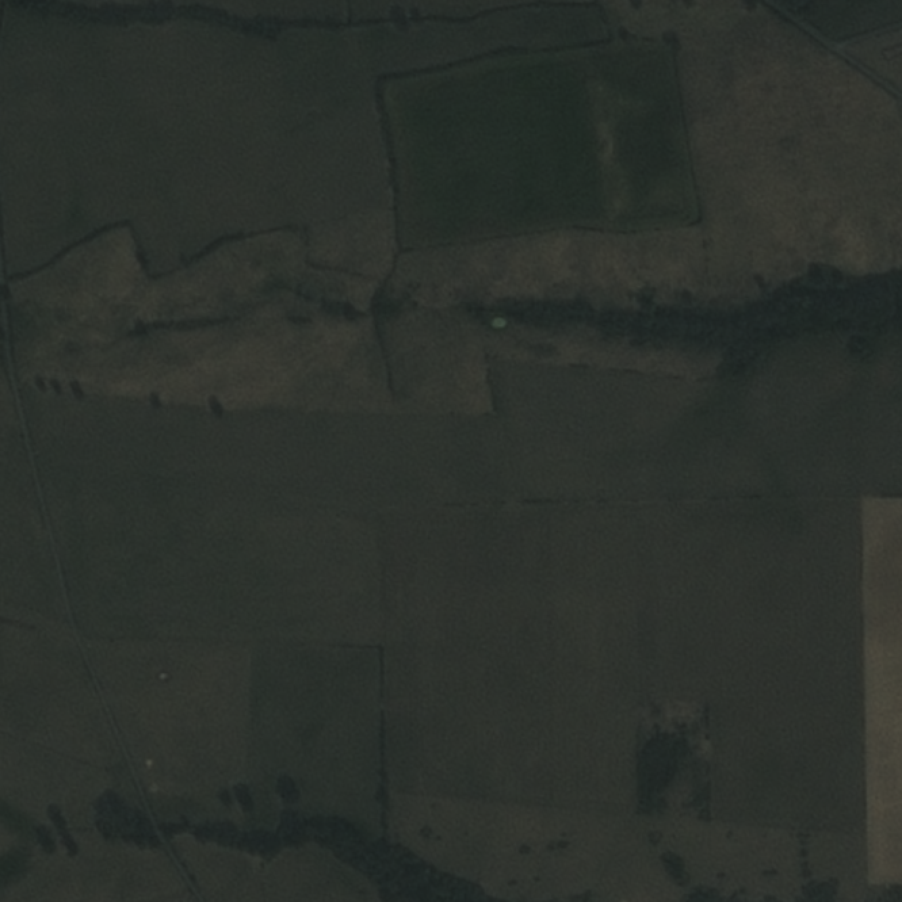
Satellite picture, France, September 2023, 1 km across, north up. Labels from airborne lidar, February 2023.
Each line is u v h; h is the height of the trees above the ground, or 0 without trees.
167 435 0
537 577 0
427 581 0
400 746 0
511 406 0
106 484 0
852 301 22
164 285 0
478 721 0
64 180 0
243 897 0
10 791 0
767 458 0
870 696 0
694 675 0
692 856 0
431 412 0
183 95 0
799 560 0
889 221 0
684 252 0
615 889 0
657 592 0
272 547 0
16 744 0
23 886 0
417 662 0
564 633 0
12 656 0
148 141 0
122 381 0
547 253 0
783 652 0
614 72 0
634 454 0
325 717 0
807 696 0
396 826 0
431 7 0
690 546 0
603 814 0
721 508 0
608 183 0
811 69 0
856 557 0
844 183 0
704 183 0
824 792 0
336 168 0
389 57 0
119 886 0
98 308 0
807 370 0
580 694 0
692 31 0
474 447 0
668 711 0
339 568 0
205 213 0
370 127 0
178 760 0
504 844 0
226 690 0
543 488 0
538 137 0
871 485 0
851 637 0
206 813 0
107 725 0
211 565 0
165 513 0
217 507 0
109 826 20
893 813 0
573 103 0
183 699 0
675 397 0
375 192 0
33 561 0
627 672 0
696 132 0
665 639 0
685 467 0
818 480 0
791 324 24
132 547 0
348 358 0
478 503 0
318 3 0
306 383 0
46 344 0
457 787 0
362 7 0
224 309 0
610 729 0
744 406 0
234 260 0
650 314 13
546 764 0
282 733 0
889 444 0
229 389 0
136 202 0
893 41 0
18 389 0
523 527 0
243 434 0
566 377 0
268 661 0
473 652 0
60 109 0
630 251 0
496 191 0
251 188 0
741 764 0
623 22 0
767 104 0
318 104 0
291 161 0
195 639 0
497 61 0
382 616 0
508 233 0
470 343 0
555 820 0
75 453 0
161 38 0
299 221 0
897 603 0
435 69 6
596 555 0
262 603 0
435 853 0
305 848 0
